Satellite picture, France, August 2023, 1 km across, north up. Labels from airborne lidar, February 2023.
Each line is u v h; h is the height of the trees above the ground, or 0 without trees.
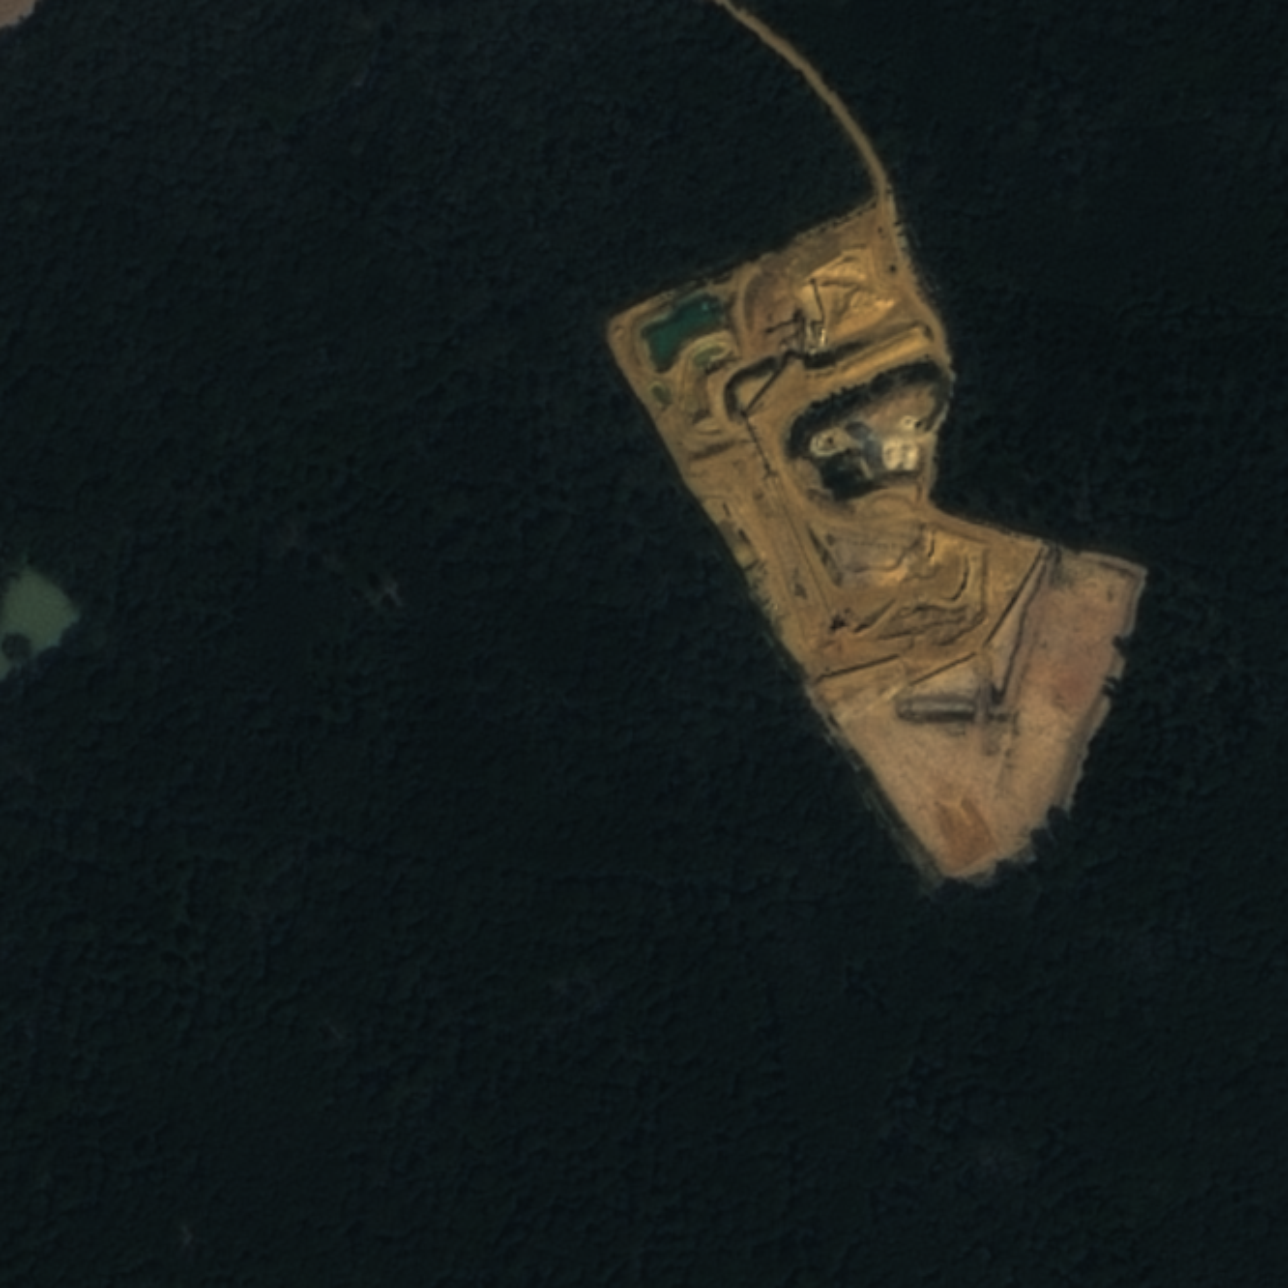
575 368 18
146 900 21
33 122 14
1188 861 22
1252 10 19
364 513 18
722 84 21
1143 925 20
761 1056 19
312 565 12
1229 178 18
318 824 16
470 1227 16
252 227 19
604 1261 18
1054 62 13
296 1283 22
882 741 0
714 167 20
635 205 16
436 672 17
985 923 22
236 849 21
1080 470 19
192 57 16
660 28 22
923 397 0
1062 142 13
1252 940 16
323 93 9
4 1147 17
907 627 0
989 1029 18
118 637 16
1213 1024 22
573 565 19
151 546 13
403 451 13
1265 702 23
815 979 23
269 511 15
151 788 12
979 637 0
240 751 11
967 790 0
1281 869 21
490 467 14
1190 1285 21
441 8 20
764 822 21
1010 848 0
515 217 16
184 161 17
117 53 22
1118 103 24
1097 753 10
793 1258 24
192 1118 20
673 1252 21
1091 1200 16
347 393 24
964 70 14
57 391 25
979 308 15
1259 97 16
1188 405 14
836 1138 25
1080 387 14
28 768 19
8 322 24
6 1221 21
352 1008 21
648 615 13
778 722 18
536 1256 21
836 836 14
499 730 15
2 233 15
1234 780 20
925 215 13
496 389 11
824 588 0
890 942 20
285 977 21
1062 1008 17
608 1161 21
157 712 12
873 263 0
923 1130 26
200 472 16
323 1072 19
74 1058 10
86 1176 13
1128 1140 18
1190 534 13
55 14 18
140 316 24
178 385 17
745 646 17
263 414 19
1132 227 15
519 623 13
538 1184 23
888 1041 23
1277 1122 23
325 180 10
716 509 0
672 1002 11
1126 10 16
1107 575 0
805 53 14
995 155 11
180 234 25
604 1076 9
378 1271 23
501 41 22
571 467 11
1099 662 0
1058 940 21
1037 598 0
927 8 16
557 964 22
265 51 18
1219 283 15
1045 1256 22
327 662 16
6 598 16
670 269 15
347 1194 21
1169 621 18
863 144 0
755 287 0
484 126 19
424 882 22
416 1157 14
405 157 22
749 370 0
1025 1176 20
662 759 13
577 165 20
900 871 21
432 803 26
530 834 15
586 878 17
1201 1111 20
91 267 19
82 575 18
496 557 13
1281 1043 25
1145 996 15
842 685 0
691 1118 21
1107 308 16
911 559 0
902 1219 25
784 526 0
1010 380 21
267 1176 24
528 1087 23
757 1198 22
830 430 0
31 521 25
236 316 21
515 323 21
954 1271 22
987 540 0
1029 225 15
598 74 22
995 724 0
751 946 20
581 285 21
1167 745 20
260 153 17
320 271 25
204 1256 19
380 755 16
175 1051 18
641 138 21
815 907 21
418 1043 9
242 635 16
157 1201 22
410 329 20
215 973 16
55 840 28
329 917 14
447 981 22
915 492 0
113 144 18
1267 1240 21
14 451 23
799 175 21
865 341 0
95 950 16
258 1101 22
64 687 22
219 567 16
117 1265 21
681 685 22
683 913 24
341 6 18
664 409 0
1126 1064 19
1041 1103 23
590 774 14
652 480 21
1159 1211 19
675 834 20
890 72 15
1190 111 13
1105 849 14
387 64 10
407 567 14
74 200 17
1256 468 16
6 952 16
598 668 21
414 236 22
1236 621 20
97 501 15
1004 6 15
